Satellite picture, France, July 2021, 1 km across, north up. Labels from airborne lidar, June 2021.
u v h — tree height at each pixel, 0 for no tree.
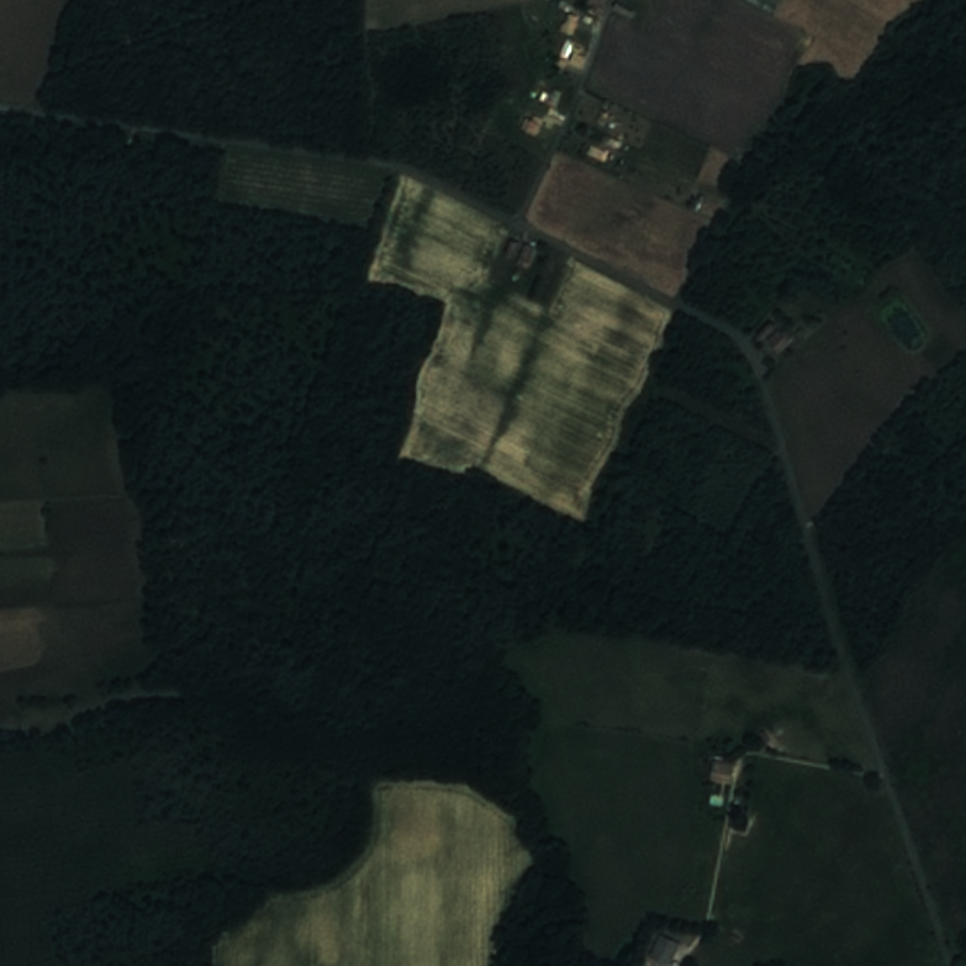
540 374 0
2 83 0
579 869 0
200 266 21
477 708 18
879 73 16
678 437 8
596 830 0
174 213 21
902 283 0
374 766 16
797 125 13
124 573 0
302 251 23
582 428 0
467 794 0
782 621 19
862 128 16
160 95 12
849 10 0
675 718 0
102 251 22
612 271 0
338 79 14
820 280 22
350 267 19
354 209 0
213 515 18
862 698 0
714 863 0
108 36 8
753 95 0
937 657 0
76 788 0
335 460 14
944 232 14
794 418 0
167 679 21
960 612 0
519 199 0
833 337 0
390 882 0
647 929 14
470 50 6
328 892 0
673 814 0
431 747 18
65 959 14
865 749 0
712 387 14
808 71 7
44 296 19
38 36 0
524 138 0
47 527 7
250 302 17
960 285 7
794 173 13
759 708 0
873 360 0
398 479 13
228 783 7
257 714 19
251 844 8
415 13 0
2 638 0
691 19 0
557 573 13
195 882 12
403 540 12
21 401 0
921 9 7
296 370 16
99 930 12
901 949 0
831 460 0
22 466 0
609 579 11
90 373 24
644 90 0
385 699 15
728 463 8
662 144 0
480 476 8
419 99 10
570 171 0
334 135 13
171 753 9
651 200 0
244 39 11
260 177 0
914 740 0
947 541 16
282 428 22
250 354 7
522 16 0
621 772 0
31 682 0
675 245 0
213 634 18
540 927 20
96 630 0
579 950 20
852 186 19
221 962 0
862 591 16
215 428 21
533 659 0
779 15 0
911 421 14
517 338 0
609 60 0
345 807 10
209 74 11
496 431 0
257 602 15
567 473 0
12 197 21
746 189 20
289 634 5
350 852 15
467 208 0
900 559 19
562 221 0
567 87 0
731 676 0
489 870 0
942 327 0
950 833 0
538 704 10
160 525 8
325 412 19
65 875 0
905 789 0
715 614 19
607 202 0
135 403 16
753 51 0
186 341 11
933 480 18
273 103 8
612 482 13
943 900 0
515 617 19
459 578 13
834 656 17
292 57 9
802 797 0
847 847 0
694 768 0
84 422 0
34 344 22
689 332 13
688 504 7
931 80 13
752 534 15
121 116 12
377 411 11
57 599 0
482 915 0
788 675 0
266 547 14
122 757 7
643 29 0
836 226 9
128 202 13
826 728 0
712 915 0
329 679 17
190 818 8
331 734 17
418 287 0
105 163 21
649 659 0
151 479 20
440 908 0
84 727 19
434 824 0
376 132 8
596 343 0
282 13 10
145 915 20
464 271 0
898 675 0
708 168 0
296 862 8
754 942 0
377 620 16
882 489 18
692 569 14
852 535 15
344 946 0
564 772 0
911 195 15
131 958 6
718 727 0
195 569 13
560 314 0
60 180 20
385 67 9
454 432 0
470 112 8
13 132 19
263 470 24
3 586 0
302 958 0
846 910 0
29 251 16
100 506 0
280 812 10
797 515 19
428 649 13
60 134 13
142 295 7
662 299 0
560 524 19
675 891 0
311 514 26
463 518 13
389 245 0
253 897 22
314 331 11
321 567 20
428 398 0
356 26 16
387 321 21
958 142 13
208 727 12
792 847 0
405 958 0
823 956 0
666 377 20
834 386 0
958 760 0
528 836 24
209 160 21
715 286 12
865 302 0
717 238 17
